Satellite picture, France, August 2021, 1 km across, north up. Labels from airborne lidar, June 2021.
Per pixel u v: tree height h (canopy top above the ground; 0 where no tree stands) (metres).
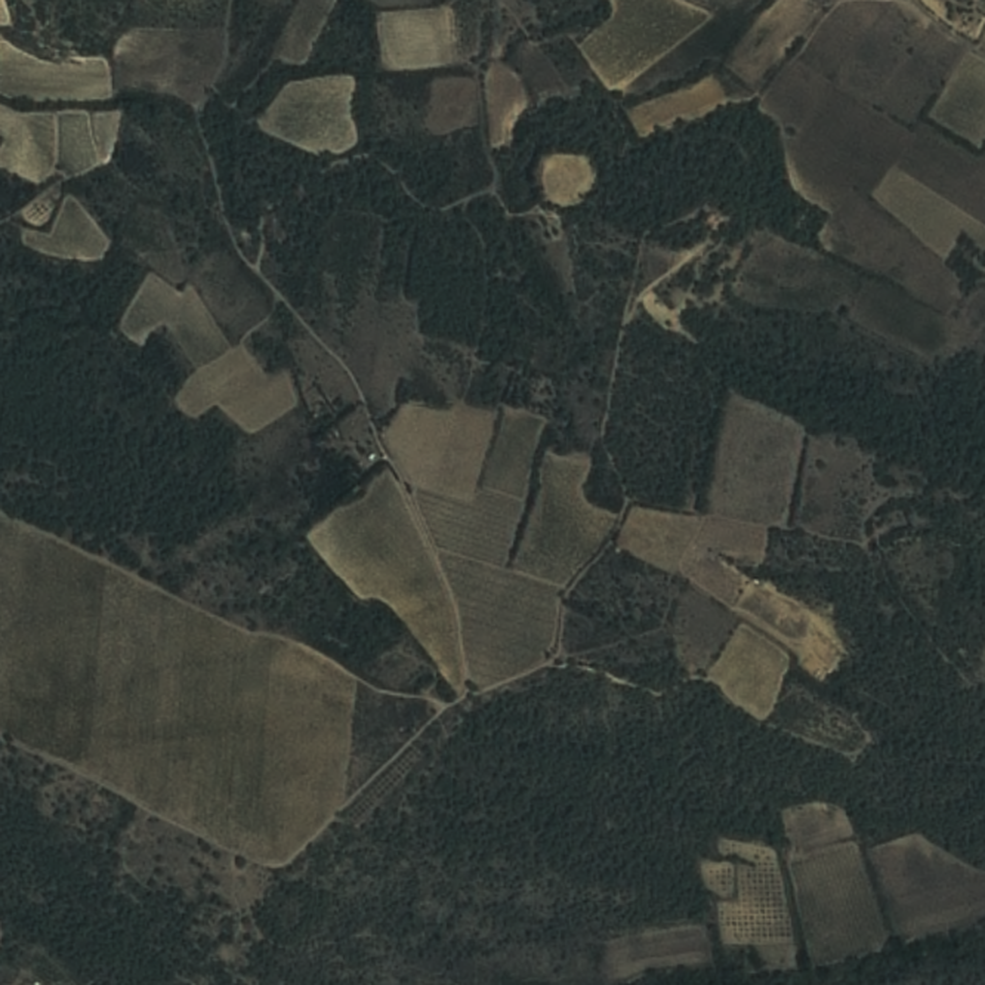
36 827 9
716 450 11
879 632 8
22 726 0
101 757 0
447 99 0
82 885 9
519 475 0
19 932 8
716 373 8
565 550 0
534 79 0
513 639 0
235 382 0
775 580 8
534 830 7
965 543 7
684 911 6
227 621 0
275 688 0
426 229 11
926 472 9
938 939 6
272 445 0
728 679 0
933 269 0
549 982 0
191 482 11
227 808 0
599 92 8
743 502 0
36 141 0
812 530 0
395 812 7
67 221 0
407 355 0
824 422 9
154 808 0
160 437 10
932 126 8
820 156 0
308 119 0
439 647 0
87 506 12
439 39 0
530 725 11
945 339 0
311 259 10
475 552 0
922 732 9
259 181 6
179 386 9
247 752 0
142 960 8
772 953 0
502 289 10
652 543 0
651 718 8
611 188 8
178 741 0
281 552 8
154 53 0
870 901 0
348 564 0
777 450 0
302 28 0
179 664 0
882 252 0
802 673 6
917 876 0
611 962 0
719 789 10
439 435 0
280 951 11
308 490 6
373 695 0
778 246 0
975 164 0
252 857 0
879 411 13
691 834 10
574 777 8
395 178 7
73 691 0
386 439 0
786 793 9
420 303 8
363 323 0
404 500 0
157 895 6
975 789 10
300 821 0
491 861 11
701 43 0
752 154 7
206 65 0
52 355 11
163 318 0
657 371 7
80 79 0
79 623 0
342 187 11
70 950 8
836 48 0
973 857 10
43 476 11
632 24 0
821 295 0
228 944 7
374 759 0
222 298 0
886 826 11
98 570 0
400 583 0
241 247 10
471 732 6
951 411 9
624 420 8
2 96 8
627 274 8
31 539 0
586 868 7
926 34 0
